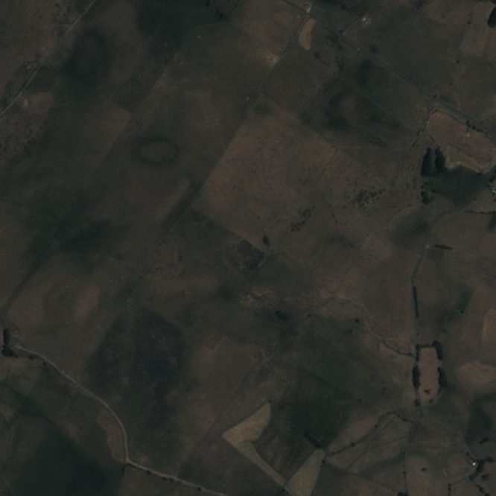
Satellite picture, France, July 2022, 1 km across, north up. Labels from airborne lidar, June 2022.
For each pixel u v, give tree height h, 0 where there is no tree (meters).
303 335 0
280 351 0
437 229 0
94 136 0
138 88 0
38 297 0
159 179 0
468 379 0
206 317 0
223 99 0
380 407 0
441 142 0
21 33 0
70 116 0
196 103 0
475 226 0
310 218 0
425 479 0
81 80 0
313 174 0
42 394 0
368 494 0
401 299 0
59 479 0
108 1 0
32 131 0
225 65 0
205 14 0
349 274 0
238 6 0
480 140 0
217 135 0
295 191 0
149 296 0
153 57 0
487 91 0
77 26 0
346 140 0
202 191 0
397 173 0
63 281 0
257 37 0
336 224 0
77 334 0
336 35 0
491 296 0
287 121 0
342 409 0
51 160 0
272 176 0
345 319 0
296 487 0
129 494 0
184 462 0
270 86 0
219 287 0
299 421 0
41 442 0
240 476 0
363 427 0
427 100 0
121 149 0
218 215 0
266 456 0
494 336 0
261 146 0
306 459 0
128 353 0
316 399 0
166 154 0
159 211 0
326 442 0
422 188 6
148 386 0
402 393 0
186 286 0
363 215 0
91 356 0
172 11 0
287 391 0
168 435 0
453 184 0
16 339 0
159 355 0
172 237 0
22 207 0
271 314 0
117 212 0
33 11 0
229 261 0
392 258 0
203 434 0
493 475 0
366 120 0
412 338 0
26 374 0
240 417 0
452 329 0
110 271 0
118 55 0
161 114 0
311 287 0
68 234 0
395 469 0
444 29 0
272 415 0
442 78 0
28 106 0
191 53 0
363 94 0
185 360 0
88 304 0
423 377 0
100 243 0
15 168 0
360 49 0
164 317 0
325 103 0
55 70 0
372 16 0
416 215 0
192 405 0
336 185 0
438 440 0
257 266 0
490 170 0
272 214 0
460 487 0
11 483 0
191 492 0
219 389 0
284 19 0
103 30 0
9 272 0
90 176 0
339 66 0
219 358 0
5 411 0
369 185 0
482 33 0
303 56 0
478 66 0
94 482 0
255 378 0
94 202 0
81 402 0
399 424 0
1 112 0
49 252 0
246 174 0
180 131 0
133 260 0
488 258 0
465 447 0
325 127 0
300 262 0
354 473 0
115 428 0
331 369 0
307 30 0
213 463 0
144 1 0
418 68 0
